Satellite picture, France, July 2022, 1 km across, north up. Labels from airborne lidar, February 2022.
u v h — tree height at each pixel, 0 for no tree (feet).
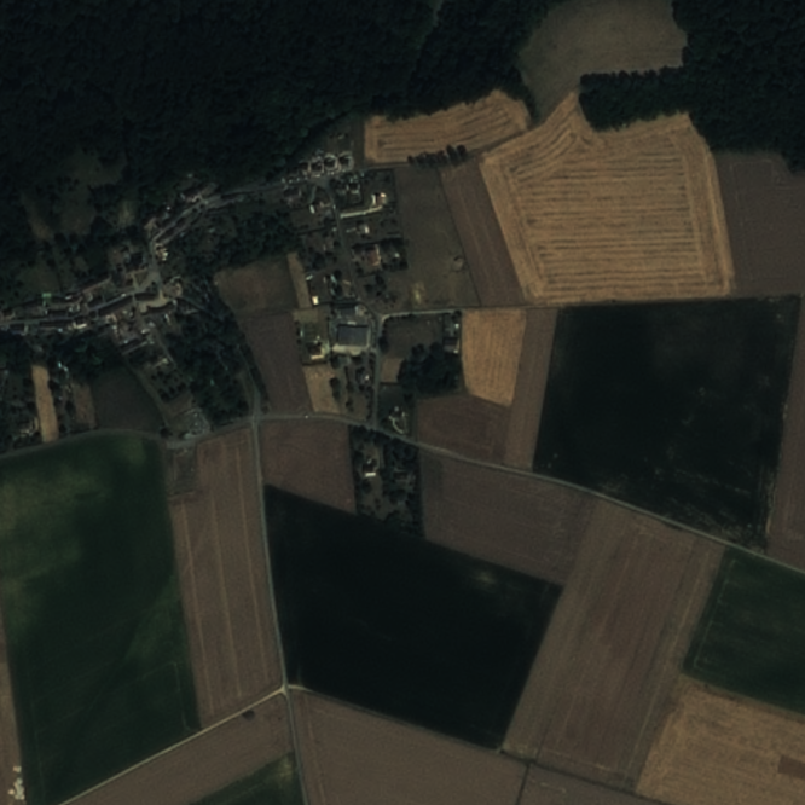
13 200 73
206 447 0
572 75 0
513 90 72
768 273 0
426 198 0
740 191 0
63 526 0
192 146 92
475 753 0
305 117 81
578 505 0
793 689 0
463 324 0
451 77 115
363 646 0
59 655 0
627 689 0
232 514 0
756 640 0
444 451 0
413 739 0
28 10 70
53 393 53
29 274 0
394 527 25
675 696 0
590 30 0
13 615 0
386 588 0
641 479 0
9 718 0
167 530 0
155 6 109
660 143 0
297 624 0
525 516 0
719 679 0
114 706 0
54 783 0
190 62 125
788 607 0
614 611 0
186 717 0
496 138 0
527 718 0
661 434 0
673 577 0
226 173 78
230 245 27
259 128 56
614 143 0
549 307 0
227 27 121
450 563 0
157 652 0
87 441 0
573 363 0
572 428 0
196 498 0
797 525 0
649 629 0
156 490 0
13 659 0
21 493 0
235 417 28
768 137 63
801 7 42
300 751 0
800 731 0
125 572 0
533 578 0
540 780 0
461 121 0
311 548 0
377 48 110
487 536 0
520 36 87
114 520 0
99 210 51
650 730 0
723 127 66
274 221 46
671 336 0
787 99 85
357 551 0
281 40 107
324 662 0
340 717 0
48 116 122
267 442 0
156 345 0
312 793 0
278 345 0
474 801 0
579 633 0
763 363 0
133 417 0
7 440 19
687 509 0
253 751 0
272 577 0
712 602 0
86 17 108
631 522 0
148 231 0
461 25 40
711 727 0
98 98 126
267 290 0
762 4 81
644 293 0
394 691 0
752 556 0
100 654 0
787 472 0
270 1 72
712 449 0
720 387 0
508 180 0
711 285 0
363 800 0
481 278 0
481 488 0
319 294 0
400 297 0
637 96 56
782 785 0
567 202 0
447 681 0
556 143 0
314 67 94
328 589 0
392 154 0
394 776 0
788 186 0
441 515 0
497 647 0
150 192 52
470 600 0
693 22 55
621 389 0
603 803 0
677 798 0
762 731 0
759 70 77
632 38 0
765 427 0
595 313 0
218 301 45
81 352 65
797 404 0
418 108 80
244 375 0
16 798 0
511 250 0
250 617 0
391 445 30
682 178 0
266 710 0
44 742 0
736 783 0
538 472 0
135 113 84
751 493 0
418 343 0
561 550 0
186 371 52
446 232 0
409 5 106
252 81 71
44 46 97
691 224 0
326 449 0
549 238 0
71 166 0
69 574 0
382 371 0
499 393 0
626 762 0
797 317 0
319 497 0
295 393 0
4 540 0
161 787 0
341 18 124
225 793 0
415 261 0
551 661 0
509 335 0
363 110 76
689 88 59
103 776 0
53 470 0
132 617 0
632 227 0
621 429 0
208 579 0
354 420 0
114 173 0
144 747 0
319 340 0
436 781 0
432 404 0
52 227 0
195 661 0
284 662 0
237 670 0
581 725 0
